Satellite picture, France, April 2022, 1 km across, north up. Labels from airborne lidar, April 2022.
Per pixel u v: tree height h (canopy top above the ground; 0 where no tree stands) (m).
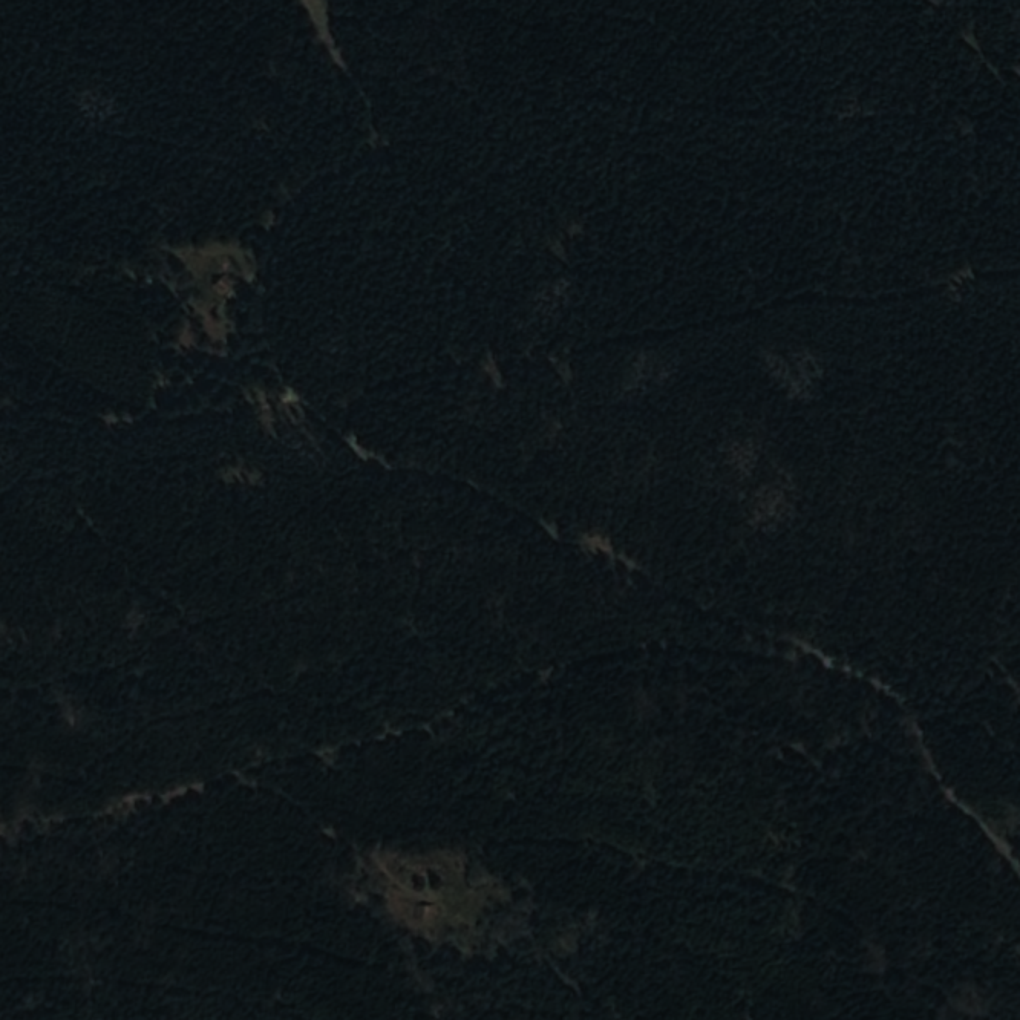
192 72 25
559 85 23
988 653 25
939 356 22
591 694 24
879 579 24
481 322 26
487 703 31
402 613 15
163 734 22
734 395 23
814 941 15
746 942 18
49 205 21
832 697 20
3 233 18
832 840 23
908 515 19
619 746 16
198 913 20
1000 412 25
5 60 14
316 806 13
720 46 21
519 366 18
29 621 21
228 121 26
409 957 19
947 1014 24
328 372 23
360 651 10
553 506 22
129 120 21
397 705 24
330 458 21
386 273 23
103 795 22
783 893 10
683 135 24
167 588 20
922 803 22
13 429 25
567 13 11
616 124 23
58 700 10
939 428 25
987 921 19
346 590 21
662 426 24
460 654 26
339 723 19
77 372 12
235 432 24
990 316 19
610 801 18
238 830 17
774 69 17
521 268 22
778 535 23
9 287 20
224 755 12
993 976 12
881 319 21
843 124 20
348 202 24
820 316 22
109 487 23
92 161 28
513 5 15
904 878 16
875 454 24
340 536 20
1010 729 10
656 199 23
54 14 19
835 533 21
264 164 28
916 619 23
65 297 21
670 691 24
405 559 20
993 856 23
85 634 11
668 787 11
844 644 15
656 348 21
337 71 25
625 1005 24
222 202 25
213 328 0
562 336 24
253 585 20
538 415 20
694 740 23
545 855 23
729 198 18
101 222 19
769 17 17
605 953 25
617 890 17
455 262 21
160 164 27
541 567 22
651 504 24
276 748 17
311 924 13
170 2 19
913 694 26
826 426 20
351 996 21
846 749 5
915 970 18
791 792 16
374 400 19
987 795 14
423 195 26
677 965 18
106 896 24
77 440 25
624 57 20
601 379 22
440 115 21
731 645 14
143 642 19
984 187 16
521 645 28
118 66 24
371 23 19
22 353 17
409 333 29
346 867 20
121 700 22
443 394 25
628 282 23
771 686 19
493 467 23
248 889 25
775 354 22
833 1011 14
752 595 22
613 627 27
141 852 20
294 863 18
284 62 21
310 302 23
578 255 21
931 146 21
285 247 22
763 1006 15
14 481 21
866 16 13
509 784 27
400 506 23
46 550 21
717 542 24
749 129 22
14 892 23
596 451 23
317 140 26
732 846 15
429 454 23
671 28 18
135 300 10
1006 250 24
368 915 15
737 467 25
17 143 31
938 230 19
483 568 20
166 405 20
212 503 21
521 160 25
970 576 23
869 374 22
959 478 22
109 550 21
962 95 16
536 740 26
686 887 21
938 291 19
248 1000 24
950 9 13
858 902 17
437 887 16
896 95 13
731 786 10
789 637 14
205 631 21
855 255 24
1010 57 11
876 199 21
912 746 27
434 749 8
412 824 19
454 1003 12
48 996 21
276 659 20
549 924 23
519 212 22
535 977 27
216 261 0
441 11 13
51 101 28
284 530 21
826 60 21
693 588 22
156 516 24
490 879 7
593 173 23
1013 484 23
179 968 21
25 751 16
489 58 23
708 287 21
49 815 16
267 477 22
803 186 20
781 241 22
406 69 18
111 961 27
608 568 25
